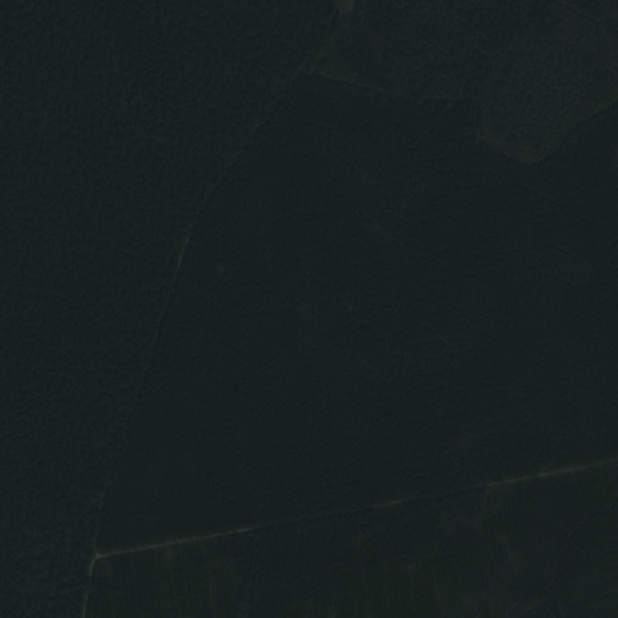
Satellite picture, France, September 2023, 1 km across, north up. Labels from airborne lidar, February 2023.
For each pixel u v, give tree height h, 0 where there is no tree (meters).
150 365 11
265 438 13
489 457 10
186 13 30
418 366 7
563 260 11
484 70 26
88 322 31
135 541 11
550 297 14
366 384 13
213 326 14
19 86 28
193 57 31
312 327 10
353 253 12
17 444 31
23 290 32
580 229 10
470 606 0
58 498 18
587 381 10
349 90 12
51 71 28
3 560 28
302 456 13
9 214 33
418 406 10
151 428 11
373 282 12
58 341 31
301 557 13
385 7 14
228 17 33
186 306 16
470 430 6
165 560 0
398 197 10
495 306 8
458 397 11
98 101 32
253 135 10
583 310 7
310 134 7
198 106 29
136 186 32
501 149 9
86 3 32
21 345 30
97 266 33
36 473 31
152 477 12
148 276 33
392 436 14
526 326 13
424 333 9
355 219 12
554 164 14
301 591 12
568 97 26
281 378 13
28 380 30
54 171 31
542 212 7
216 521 11
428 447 12
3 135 34
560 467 7
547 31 9
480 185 13
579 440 12
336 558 12
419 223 9
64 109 29
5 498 29
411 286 12
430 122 10
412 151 8
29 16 31
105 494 9
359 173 10
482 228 8
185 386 15
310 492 11
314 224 9
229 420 12
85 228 31
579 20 8
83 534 17
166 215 30
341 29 9
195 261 15
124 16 12
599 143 11
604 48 15
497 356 9
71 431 30
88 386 31
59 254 33
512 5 28
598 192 13
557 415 9
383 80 17
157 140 9
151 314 27
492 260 9
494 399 10
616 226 16
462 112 14
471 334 9
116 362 30
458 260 6
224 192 13
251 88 32
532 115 29
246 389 11
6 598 29
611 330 10
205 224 12
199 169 29
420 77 20
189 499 10
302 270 11
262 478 11
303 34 29
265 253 13
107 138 29
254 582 12
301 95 11
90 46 33
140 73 13
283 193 12
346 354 11
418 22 23
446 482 13
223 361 13
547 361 6
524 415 10
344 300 11
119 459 12
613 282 8
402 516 9
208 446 13
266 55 31
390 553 5
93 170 33
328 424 11
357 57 8
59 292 31
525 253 9
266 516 10
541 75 25
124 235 30
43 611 31
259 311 14
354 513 13
